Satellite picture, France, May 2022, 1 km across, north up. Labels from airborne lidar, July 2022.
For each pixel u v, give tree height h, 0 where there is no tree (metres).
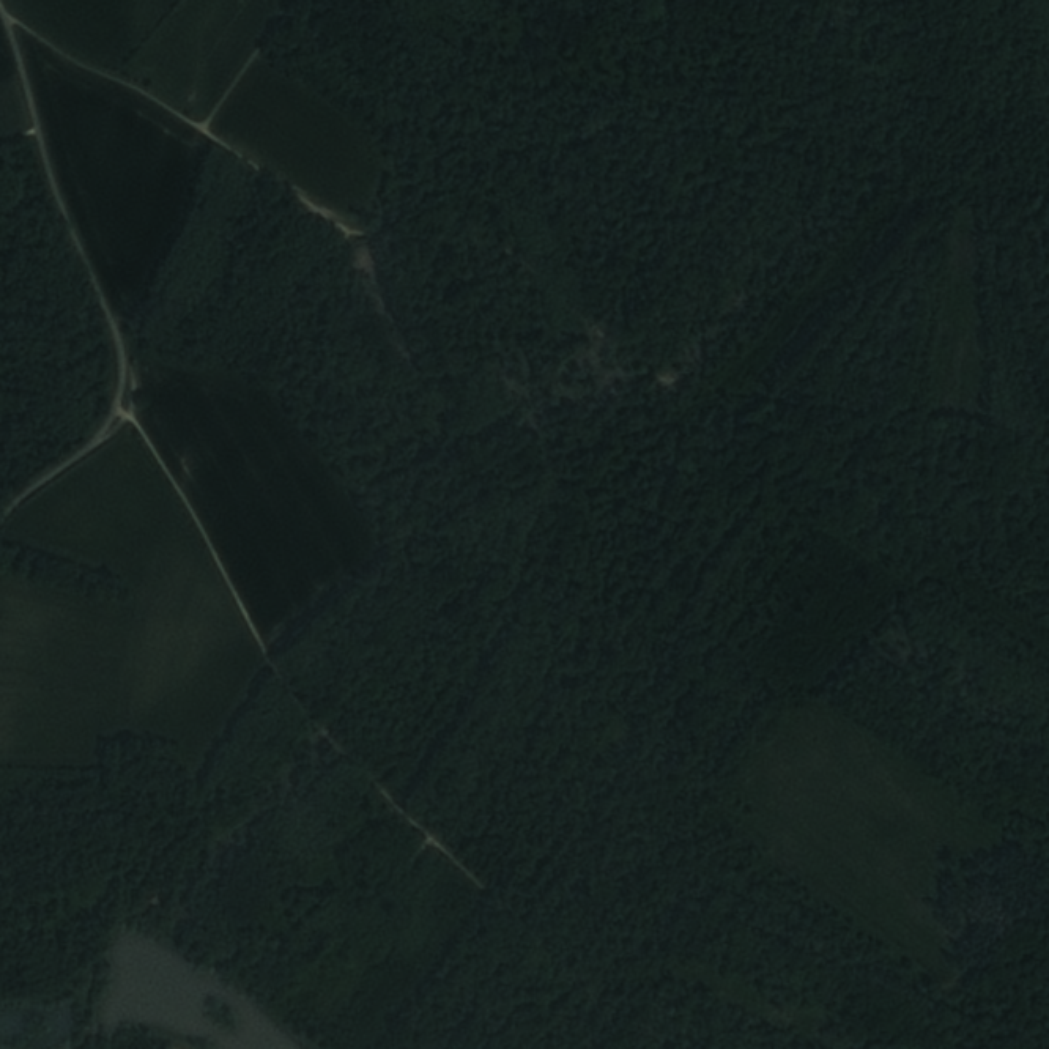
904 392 29
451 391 30
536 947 27
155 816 16
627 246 31
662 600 32
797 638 7
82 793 16
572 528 28
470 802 22
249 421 0
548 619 24
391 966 10
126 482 0
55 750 0
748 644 9
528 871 18
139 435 11
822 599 7
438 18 7
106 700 0
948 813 0
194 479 0
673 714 9
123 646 0
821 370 24
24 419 21
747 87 19
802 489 30
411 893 16
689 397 14
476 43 22
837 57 24
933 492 28
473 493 24
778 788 0
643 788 31
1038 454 26
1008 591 13
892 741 25
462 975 29
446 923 13
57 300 23
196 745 0
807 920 26
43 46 0
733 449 31
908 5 23
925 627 24
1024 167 19
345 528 0
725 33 18
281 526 0
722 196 26
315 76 23
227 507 0
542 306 22
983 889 21
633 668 18
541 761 16
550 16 33
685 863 18
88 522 0
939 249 29
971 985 18
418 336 26
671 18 24
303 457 0
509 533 28
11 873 9
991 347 26
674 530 23
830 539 7
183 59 0
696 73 9
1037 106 23
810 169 24
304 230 18
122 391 0
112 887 14
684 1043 23
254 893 24
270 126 0
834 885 0
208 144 11
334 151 0
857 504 29
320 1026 8
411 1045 20
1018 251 32
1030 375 18
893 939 0
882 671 27
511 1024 28
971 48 22
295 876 17
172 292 25
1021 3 27
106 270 0
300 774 19
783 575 9
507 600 21
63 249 19
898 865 0
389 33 23
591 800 16
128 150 0
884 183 22
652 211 25
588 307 20
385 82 20
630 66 28
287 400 21
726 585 15
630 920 18
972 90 21
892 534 25
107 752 21
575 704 23
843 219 26
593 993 23
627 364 11
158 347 17
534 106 22
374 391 26
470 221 30
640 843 25
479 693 26
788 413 34
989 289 23
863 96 19
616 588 24
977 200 18
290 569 0
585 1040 19
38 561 23
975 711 27
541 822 15
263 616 0
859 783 0
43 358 24
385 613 28
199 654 0
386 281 29
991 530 29
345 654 26
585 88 14
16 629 0
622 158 29
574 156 29
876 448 31
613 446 21
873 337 24
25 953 15
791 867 0
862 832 0
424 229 14
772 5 19
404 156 17
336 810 27
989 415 26
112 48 0
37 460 16
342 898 9
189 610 0
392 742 22
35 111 0
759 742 28
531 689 25
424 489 29
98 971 21
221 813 19
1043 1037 26
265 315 22
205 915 24
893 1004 26
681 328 21
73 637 0
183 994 0
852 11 18
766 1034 24
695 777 22
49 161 0
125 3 0
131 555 0
